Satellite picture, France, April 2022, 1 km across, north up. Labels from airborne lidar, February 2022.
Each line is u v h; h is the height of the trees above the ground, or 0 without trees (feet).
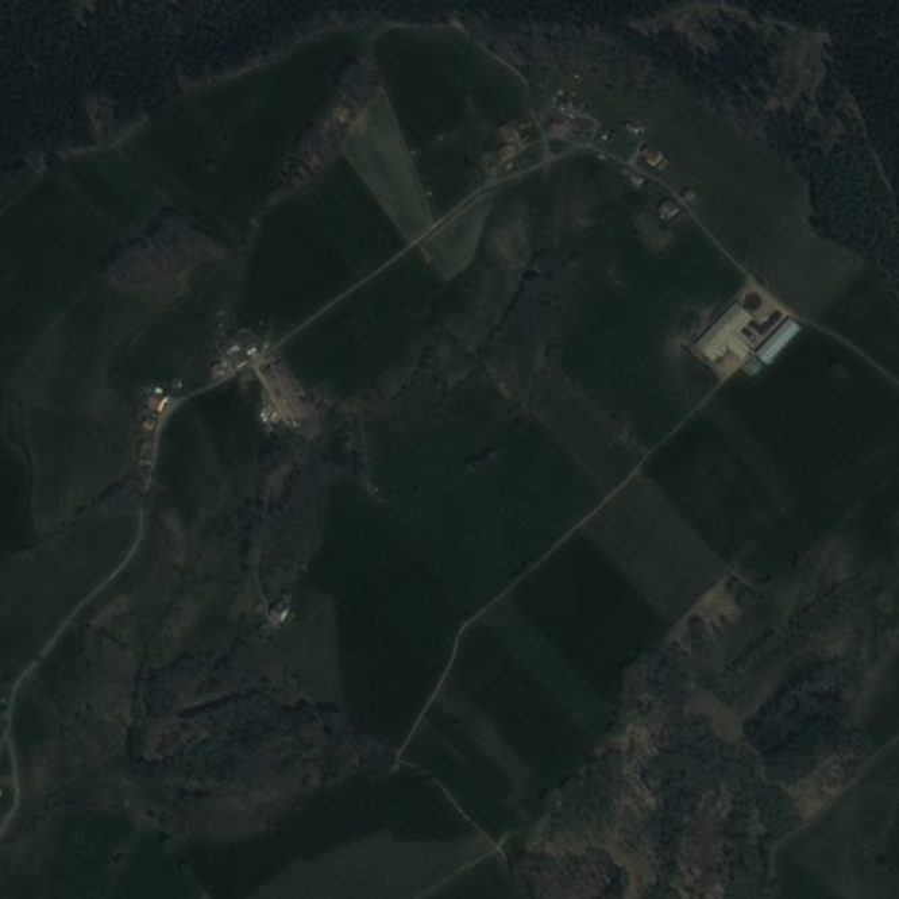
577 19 59
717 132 0
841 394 0
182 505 0
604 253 0
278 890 0
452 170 0
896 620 0
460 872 0
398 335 0
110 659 0
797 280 0
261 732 72
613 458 0
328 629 0
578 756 0
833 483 0
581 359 0
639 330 0
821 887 0
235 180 0
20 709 0
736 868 65
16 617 0
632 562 0
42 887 0
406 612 0
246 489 0
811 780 0
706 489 0
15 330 0
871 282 0
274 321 0
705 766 63
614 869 72
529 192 0
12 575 0
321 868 0
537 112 54
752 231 0
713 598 0
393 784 0
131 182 0
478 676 0
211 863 0
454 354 0
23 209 0
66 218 0
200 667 47
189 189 0
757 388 0
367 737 91
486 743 0
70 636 0
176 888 0
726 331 0
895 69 71
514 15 74
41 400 0
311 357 0
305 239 0
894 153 63
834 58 87
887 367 0
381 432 0
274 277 0
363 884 0
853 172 45
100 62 72
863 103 70
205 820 0
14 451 0
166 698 73
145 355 0
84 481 0
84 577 0
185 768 58
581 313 0
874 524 0
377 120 0
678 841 45
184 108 0
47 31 77
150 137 0
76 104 67
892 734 0
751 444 0
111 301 0
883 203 46
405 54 0
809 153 102
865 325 0
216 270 0
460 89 0
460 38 0
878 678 0
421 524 0
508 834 0
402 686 0
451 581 0
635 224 0
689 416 0
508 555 0
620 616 0
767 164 0
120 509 79
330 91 0
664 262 0
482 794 0
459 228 0
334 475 48
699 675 0
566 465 0
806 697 81
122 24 81
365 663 0
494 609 0
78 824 0
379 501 0
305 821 0
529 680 0
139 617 0
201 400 0
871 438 0
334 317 0
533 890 77
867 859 0
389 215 0
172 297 0
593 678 0
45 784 0
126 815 0
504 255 0
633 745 0
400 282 0
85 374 0
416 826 0
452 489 0
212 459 0
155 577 0
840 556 0
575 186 0
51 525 0
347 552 0
